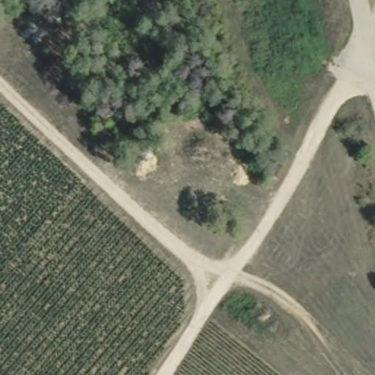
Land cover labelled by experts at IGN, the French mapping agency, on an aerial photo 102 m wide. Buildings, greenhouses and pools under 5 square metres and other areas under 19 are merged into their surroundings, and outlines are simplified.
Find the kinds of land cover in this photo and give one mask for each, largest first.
<instances>
[{"label":"herbaceous vegetation","instance_id":"1","mask_svg":"<svg viewBox=\"0 0 375 375\"><path fill-rule=\"evenodd\" d=\"M167 7H174L177 12L187 16V19L193 18L198 25L207 26L218 32V44L226 53L227 63L233 66V69H237L240 92L252 95L264 103L268 114H277L275 133L278 148L275 152L283 161L271 164L264 173V182L252 183L242 164L234 160L229 144L223 141L220 133L209 132L199 119L186 123L182 116L177 117L173 123L155 122L151 125V132L160 135L163 142L152 146L148 151L157 158V167L148 171L145 177H139L136 171L125 173L114 167L113 163L89 157L95 166L125 190L133 201L138 202L146 212L160 221L171 233L176 234L187 246L211 259H223L224 256L233 258L248 242L253 231L267 214L271 199L283 185L313 117L334 86L335 78L328 70V66L333 57L338 56L349 44L353 32L349 0H168ZM215 209L233 211L236 221L233 233L221 237L205 224L212 223L211 215ZM69 22L62 21L60 16L44 18L40 12H32L29 7L23 10L18 18L7 22L0 31V75L32 107L37 108L51 125L73 145L78 146L83 127L76 119V104L81 103L82 95L73 91L69 79L62 70L70 47V35L67 31ZM0 103L4 104L9 113L18 117L21 125L48 151L53 152L64 167L75 173L79 182L91 189L105 207L125 223V226L129 227L154 255L170 265L171 270L182 278L185 312L180 315L179 330L168 338L164 352L152 363L149 375H157L195 315L196 286L192 274L174 253H171L163 243L158 242L129 212H126L125 208L120 207L105 192L103 187L98 186L75 161L70 160L59 146L53 144L31 120L26 119L15 105L10 104L0 94Z\"/></svg>","mask_w":375,"mask_h":375},{"label":"vineyard","instance_id":"2","mask_svg":"<svg viewBox=\"0 0 375 375\"><path fill-rule=\"evenodd\" d=\"M185 312L182 278L171 270L170 265L154 255L129 227L125 226V223L105 207L91 189L79 182L75 173L64 167L53 152L48 151L21 125L18 117L9 113L4 104L0 103V375H149L152 363L164 352L168 338L179 330L180 315ZM173 375H278L265 366L258 357L253 356L248 349L231 340L229 335L221 333L220 328L208 319Z\"/></svg>","mask_w":375,"mask_h":375},{"label":"coniferous trees","instance_id":"3","mask_svg":"<svg viewBox=\"0 0 375 375\"><path fill-rule=\"evenodd\" d=\"M168 0H0V31L7 22L18 18L23 10L29 7L32 12H40L44 18L60 16L62 21L69 22L67 31L70 35V47L62 70L69 79L73 91L82 95L81 103L76 104V119L83 127L78 146L83 154L89 157L113 163L114 167L125 173L136 171L139 164L145 160L148 151L152 146L163 142L160 135L151 132V125L155 122L173 123L177 117L182 116L186 123L199 119L209 132L220 133L223 141L229 144L234 160L242 164L252 183L264 182V173L271 164L283 161L275 152L278 148L275 133L277 114H268L264 103L252 95L240 92L237 69H233V66L227 63L226 53L218 44V32L207 26L198 25L193 18L187 19V16L177 12L174 7H167ZM212 223L205 224L221 237L233 233L236 221L233 211L215 209L211 215Z\"/></svg>","mask_w":375,"mask_h":375},{"label":"agricultural land","instance_id":"4","mask_svg":"<svg viewBox=\"0 0 375 375\"><path fill-rule=\"evenodd\" d=\"M243 271L248 274L264 278L289 293L309 312L325 340L321 343L308 325L303 324L293 313L281 308L272 297L256 292L253 293L256 308L264 313L261 321H268L271 325L270 330L264 334L250 330L242 322L233 321L229 312L218 305L208 319L220 328L221 333L229 335L231 340L248 349L253 356L258 357L265 366L278 375H375V113L371 100L365 95L350 98L340 105L333 122L325 132L324 139L313 155L308 170L294 189L292 198L281 211L280 217L275 220L274 226L268 231L255 255L243 267Z\"/></svg>","mask_w":375,"mask_h":375},{"label":"pervious surface","instance_id":"5","mask_svg":"<svg viewBox=\"0 0 375 375\"><path fill-rule=\"evenodd\" d=\"M353 32L349 44L338 56L333 57L328 66V70L335 78L334 86L313 117L283 185L271 199L267 214L253 231L248 242L233 258L224 256L223 259H211L187 246L176 234L171 233L160 221L146 212L138 202L133 201L125 190L95 166L89 157L83 154L78 146L73 145L51 125L37 108L32 107L0 75V94L10 104L15 105L26 119L31 120L53 144L59 146L70 160L75 161L98 186L103 187L105 192L120 207L125 208L126 212H129L158 242L163 243L171 253H174L192 274L196 286L195 315L157 375H173L208 319L218 305L233 287H249L256 292L272 297L281 308L293 313L303 324L308 325L321 343L325 340L309 312L289 293L264 278L248 274L243 271V267L255 255L268 231L274 226L275 220L280 217L281 211L292 198L294 189L308 170L313 155L324 139L325 132L333 122L340 105L350 98L365 95L371 100L375 113V0H349ZM157 167V158L148 151L145 160L139 164L136 171L139 177H145L148 171Z\"/></svg>","mask_w":375,"mask_h":375},{"label":"brushwood","instance_id":"6","mask_svg":"<svg viewBox=\"0 0 375 375\"><path fill-rule=\"evenodd\" d=\"M256 292L249 287H233L218 305L229 312L233 321L242 322L250 330L264 334L270 330L271 325L268 321H261L264 313L256 308L253 293Z\"/></svg>","mask_w":375,"mask_h":375}]
</instances>
